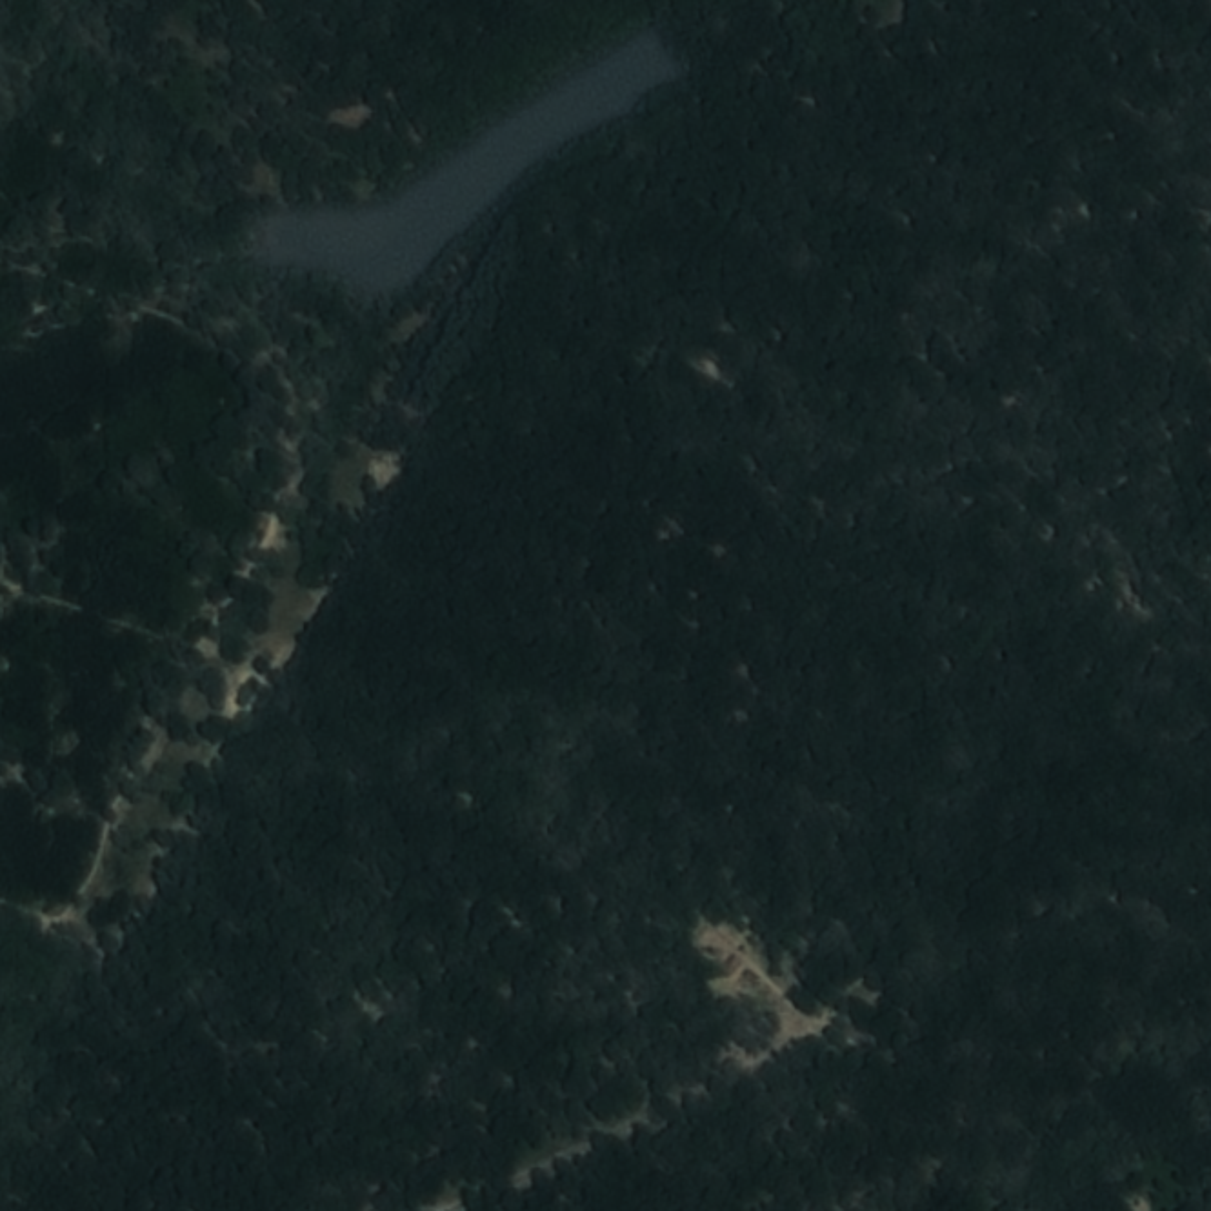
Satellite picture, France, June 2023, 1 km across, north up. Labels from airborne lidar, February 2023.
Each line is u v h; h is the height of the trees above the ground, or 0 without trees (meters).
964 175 25
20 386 10
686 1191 25
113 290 8
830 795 21
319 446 18
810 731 22
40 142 9
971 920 24
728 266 24
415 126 22
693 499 22
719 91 19
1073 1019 20
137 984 22
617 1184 24
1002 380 26
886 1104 26
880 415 27
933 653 24
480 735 24
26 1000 25
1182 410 24
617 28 14
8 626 6
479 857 25
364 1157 27
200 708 0
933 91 22
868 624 25
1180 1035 18
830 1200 23
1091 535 25
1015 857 24
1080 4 22
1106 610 27
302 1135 24
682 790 23
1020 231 21
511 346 21
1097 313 24
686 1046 25
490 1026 26
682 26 22
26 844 10
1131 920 20
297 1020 25
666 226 26
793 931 29
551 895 17
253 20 21
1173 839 25
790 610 24
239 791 23
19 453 9
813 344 25
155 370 10
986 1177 21
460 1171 26
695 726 21
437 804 23
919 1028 22
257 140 16
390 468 0
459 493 22
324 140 23
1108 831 26
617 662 18
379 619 25
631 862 25
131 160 20
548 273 24
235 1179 24
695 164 24
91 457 8
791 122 20
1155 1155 13
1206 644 25
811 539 22
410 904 30
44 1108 23
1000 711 25
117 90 13
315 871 26
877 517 23
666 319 28
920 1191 14
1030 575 27
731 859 24
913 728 23
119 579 13
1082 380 29
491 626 26
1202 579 20
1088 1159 17
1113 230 22
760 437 24
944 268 24
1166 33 24
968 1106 18
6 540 23
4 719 9
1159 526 28
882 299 26
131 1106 25
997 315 18
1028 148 25
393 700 25
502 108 11
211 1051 27
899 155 26
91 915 8
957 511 23
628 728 17
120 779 0
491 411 21
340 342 27
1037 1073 21
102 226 21
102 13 17
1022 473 26
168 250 19
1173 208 24
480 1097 24
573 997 22
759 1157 28
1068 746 23
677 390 20
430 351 16
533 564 24
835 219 18
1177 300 25
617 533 24
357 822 27
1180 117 24
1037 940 24
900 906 22
